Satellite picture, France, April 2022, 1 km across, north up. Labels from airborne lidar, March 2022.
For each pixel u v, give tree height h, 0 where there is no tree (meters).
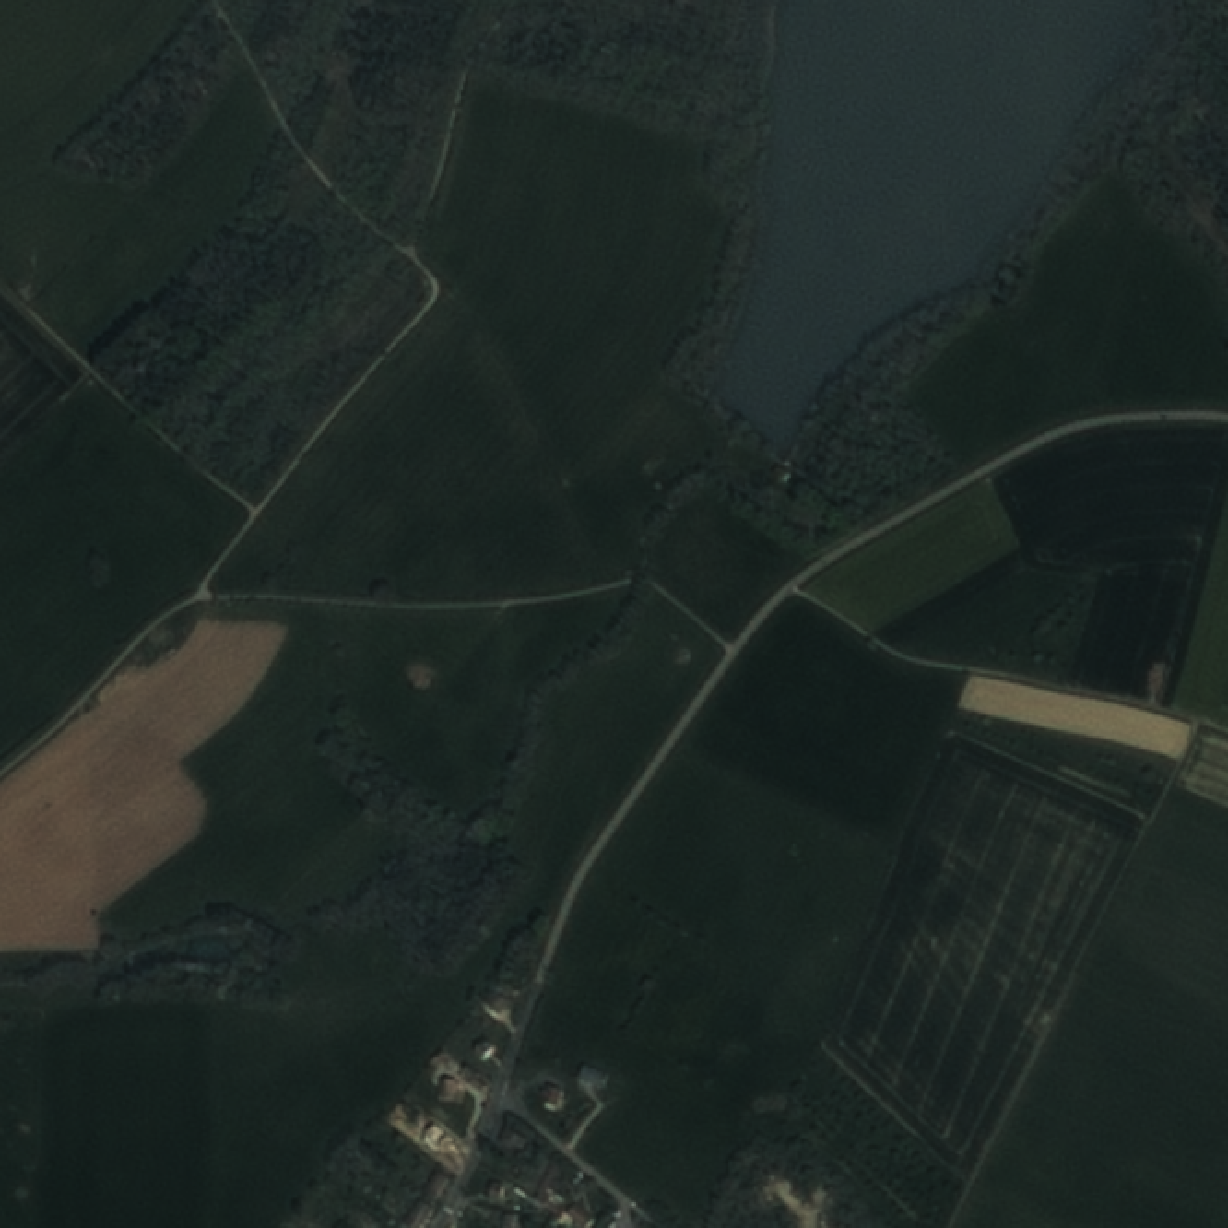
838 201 0
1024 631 0
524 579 0
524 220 0
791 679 0
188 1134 0
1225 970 0
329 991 0
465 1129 0
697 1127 0
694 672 0
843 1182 14
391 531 0
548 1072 0
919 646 0
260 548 0
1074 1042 0
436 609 0
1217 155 22
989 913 0
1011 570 0
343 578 0
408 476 0
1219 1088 0
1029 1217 0
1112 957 0
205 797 0
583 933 0
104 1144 0
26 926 0
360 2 21
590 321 0
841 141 0
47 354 0
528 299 0
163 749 0
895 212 0
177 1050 0
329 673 0
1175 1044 0
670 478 0
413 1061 0
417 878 26
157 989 18
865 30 0
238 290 24
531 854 0
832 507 19
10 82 0
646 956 0
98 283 0
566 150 0
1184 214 21
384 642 0
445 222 0
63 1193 0
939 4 0
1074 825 0
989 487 0
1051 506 0
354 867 0
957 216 0
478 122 0
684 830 0
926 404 0
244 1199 0
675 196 0
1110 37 0
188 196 0
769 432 0
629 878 0
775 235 0
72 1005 0
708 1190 0
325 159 0
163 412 19
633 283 0
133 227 0
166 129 21
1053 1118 0
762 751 0
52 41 0
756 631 0
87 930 0
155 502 0
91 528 0
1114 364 0
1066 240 0
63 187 0
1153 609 0
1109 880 0
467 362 0
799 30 0
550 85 21
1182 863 0
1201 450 0
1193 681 0
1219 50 18
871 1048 0
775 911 0
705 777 0
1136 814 0
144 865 0
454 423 0
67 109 0
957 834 0
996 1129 0
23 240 0
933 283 0
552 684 13
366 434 0
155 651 0
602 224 0
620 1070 0
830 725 0
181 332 24
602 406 0
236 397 22
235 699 0
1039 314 0
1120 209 0
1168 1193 0
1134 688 0
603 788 0
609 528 0
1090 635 0
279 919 0
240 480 12
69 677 0
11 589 0
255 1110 0
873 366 17
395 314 0
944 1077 0
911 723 0
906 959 0
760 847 0
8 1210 0
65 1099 0
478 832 18
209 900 0
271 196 17
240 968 16
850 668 0
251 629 0
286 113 10
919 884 0
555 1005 0
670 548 0
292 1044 0
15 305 0
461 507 0
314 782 0
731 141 25
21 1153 0
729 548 0
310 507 0
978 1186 0
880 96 0
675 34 19
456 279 0
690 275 0
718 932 0
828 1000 0
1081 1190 0
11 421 0
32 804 0
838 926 0
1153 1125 0
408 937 22
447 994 0
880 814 0
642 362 0
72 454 0
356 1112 0
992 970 0
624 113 21
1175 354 0
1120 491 0
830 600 0
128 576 0
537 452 0
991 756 0
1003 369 0
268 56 16
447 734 0
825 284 0
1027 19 0
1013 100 0
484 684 0
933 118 0
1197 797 0
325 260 19
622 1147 0
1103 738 0
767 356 0
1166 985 0
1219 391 0
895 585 0
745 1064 0
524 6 10
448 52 11
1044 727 0
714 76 19
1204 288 0
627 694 0
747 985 0
